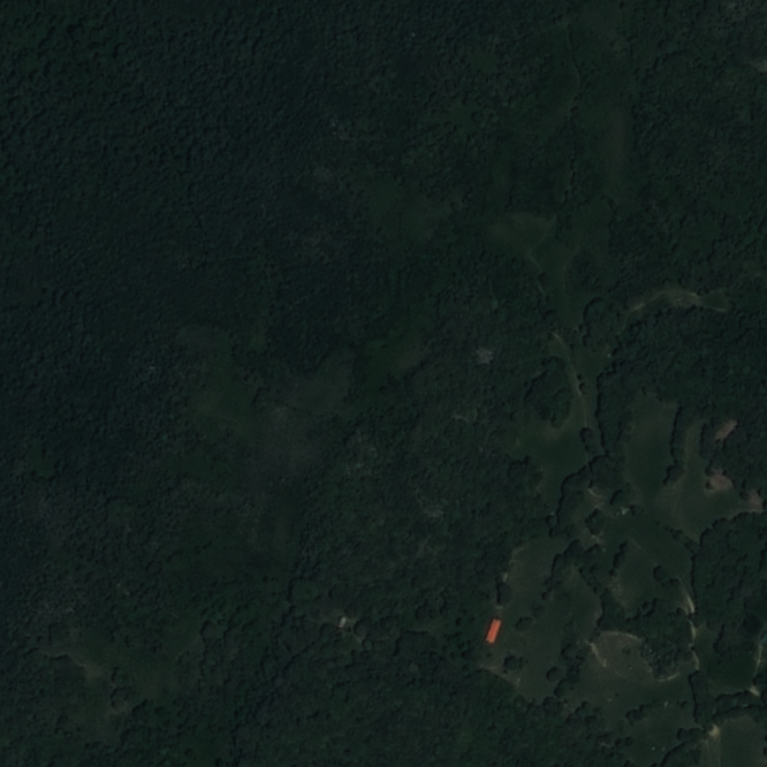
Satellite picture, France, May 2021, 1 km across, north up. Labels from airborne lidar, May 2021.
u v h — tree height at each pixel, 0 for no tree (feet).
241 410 0
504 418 52
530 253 0
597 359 0
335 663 32
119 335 22
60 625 20
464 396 45
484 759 51
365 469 33
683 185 23
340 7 23
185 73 19
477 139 28
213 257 31
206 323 25
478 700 53
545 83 22
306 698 40
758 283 30
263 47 35
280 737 31
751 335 27
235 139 31
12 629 23
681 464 39
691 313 46
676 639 33
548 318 48
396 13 27
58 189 22
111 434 23
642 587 0
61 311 24
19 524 19
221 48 24
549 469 0
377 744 39
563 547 0
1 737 36
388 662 41
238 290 28
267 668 38
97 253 30
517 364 57
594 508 0
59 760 47
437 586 42
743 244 39
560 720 37
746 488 40
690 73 42
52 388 28
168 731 29
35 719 30
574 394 33
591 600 0
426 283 20
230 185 34
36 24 25
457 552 31
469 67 17
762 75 34
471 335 43
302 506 18
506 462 45
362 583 33
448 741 55
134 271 21
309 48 24
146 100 32
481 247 24
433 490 33
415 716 37
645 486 0
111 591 28
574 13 28
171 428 19
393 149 25
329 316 22
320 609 46
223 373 0
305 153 20
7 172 28
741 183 29
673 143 24
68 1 40
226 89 38
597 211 0
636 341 29
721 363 28
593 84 22
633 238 28
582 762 36
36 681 33
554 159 25
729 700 54
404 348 0
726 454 36
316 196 21
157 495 20
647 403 0
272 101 33
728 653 47
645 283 24
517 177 22
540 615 36
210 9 21
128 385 20
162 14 21
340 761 40
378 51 37
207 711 22
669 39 24
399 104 28
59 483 41
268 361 27
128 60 41
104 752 29
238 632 38
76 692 35
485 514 45
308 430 0
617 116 0
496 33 22
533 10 26
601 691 0
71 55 59
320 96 21
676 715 0
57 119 37
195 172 31
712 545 44
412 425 27
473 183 29
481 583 57
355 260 18
